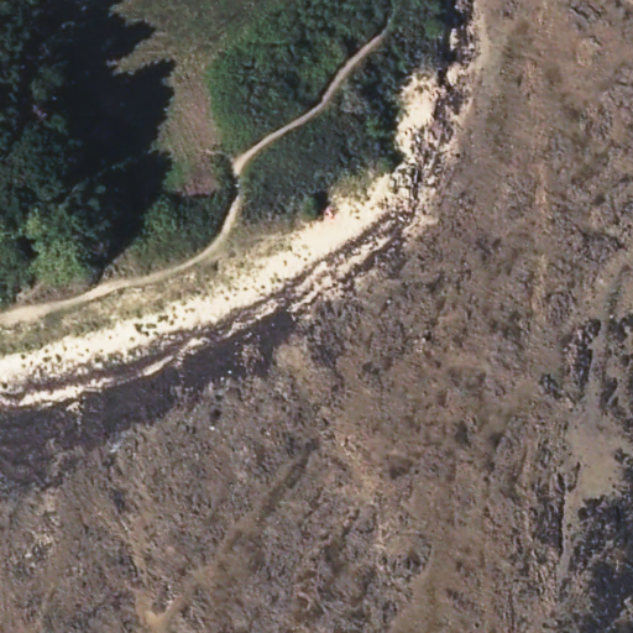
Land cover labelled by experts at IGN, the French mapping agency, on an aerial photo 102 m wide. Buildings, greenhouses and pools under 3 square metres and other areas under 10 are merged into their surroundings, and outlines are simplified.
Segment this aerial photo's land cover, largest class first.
<instances>
[{"label":"bare soil","instance_id":"1","mask_svg":"<svg viewBox=\"0 0 633 633\"><path fill-rule=\"evenodd\" d=\"M455 7L460 12H467L472 20L462 27L450 30V49L457 52L455 64L448 67L445 62H438L433 69H415L410 82L401 91L403 116L398 121L396 143L403 158L396 166V171L386 176H378L376 171H366L359 178L344 176L339 185L329 193L324 218L317 213L312 198H289L282 215L267 213L260 225H252L240 215L235 227L230 230V237L220 232L205 250L198 252L183 262L143 274L121 279L124 289L94 297L67 309L49 312L35 321L0 324V633H584L581 628L586 623V616L591 613L593 598V588L588 586L591 574L569 571V559L574 554V546L586 539V532L593 529V517L579 519V509L586 504V499L601 495L613 499L621 497L626 485L623 472L633 470V0H457Z\"/></svg>","mask_w":633,"mask_h":633},{"label":"brushwood","instance_id":"2","mask_svg":"<svg viewBox=\"0 0 633 633\"><path fill-rule=\"evenodd\" d=\"M457 0H294L279 5V10L270 12V17H260L250 30H245L237 47L232 52H223L203 74V87L210 94V116L220 131V143L215 146V176L220 183L218 190L181 195L163 185L158 200L146 210L143 230L138 237H148L156 250L163 247L166 237L183 240L198 252L205 250L220 232L227 210L237 195L232 161L252 143H257L265 134L279 129L282 124L304 114L307 109L317 106L336 72L346 64L349 57L356 54L361 45L378 35L383 45L373 49L349 74V82L334 94L331 106L317 119L307 121L304 126L277 138L245 166L242 173L247 176V195L240 215L252 225H260L267 213L282 215L289 198H312L317 213L324 218L329 193L339 185L344 176L359 178L366 171H376L378 176H386L396 171V166L403 158L396 143L398 121L403 116L401 91L410 82L415 69H433L438 62H445L448 67L455 64L457 52L450 49V30L462 27L472 20L467 12H460L455 7ZM126 250V247L106 232L94 245L91 262L82 267L77 260L74 242H52L49 247H35L27 237V223L17 225V230H5L0 225V312L12 309L17 304V294L32 287L37 279L47 284H62L84 277L91 287H96L104 282L106 267Z\"/></svg>","mask_w":633,"mask_h":633},{"label":"agricultural land","instance_id":"3","mask_svg":"<svg viewBox=\"0 0 633 633\"><path fill-rule=\"evenodd\" d=\"M294 0H42L40 45L54 47L59 54H64L67 62L74 64V72L82 77L84 91L91 96V109L82 119V124L89 136V158L99 171H104L111 178L114 188L111 225L106 232L126 247L134 245V240L138 237L143 230L146 210L158 200L163 185L181 195L218 190L220 183L215 176V146L220 143V131L210 116V94L203 87V74L223 52H232L237 47L245 30H250L260 17H270V12L279 10V5Z\"/></svg>","mask_w":633,"mask_h":633},{"label":"deciduous trees","instance_id":"4","mask_svg":"<svg viewBox=\"0 0 633 633\"><path fill-rule=\"evenodd\" d=\"M42 0H0V225L5 230H17V225L27 223V237L35 247H49L52 242H74L77 260L82 267L91 262L94 245L106 232L111 225L114 188L111 178L104 171H99L89 158V136L82 124V119L91 109V96L84 91L82 77L74 72V64L67 62L64 54H59L54 47L40 45Z\"/></svg>","mask_w":633,"mask_h":633},{"label":"herbaceous vegetation","instance_id":"5","mask_svg":"<svg viewBox=\"0 0 633 633\"><path fill-rule=\"evenodd\" d=\"M131 257H136V265L143 274L183 262L198 252L183 240L166 237L163 247L156 250L148 237H138L134 240V245L126 247V250ZM626 485L621 497L613 499L601 495L586 499V504L579 509V519L593 517V529L586 532V539L574 546V554L569 559V571L591 574L588 586L593 588V598L591 613L586 616V623L581 628L584 633H633V470L623 472Z\"/></svg>","mask_w":633,"mask_h":633},{"label":"pervious surface","instance_id":"6","mask_svg":"<svg viewBox=\"0 0 633 633\"><path fill-rule=\"evenodd\" d=\"M383 45L378 35L361 45L356 54L349 57L346 64L336 72L317 106L307 109L304 114L282 124L279 129L265 134L257 143H252L232 161L237 195L227 210L220 232L230 237V230L235 227L240 215L247 195V176L242 173L245 166L277 138L304 126L307 121L317 119L331 106L334 94L349 82V74L373 49ZM143 274L136 265V257H131L126 250L106 267L104 282L96 287H91L84 277L62 284H47L37 279L32 287L17 294V304L12 309L0 312V324L35 321L49 312L67 309L94 297L124 289L121 279Z\"/></svg>","mask_w":633,"mask_h":633}]
</instances>
